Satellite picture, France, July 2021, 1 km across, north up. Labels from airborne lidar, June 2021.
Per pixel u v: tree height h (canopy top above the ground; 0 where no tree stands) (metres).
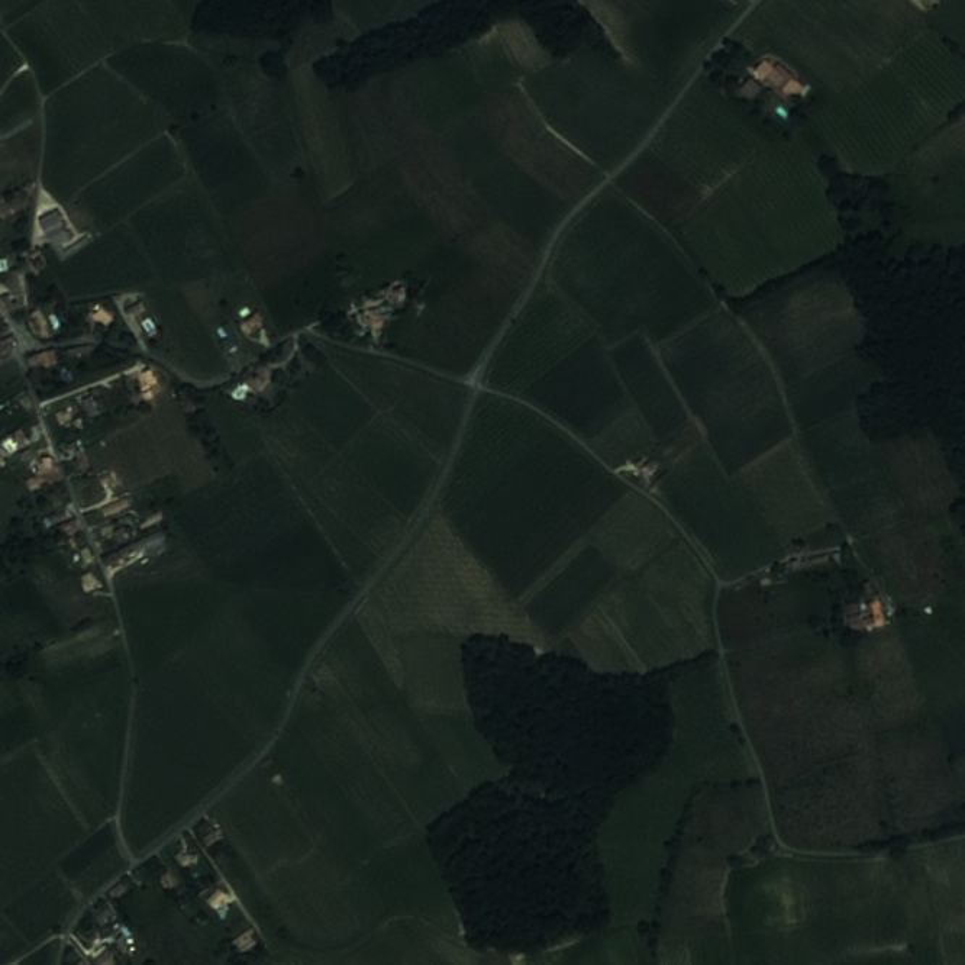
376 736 0
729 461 0
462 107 0
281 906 0
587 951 0
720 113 0
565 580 0
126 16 0
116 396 0
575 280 0
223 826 0
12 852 0
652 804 0
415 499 0
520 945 19
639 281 0
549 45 16
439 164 0
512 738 25
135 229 0
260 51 0
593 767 22
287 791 0
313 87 0
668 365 0
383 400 0
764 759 0
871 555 0
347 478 0
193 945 0
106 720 0
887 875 0
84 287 0
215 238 0
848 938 0
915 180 0
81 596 0
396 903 0
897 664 0
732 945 0
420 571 0
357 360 0
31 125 0
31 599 0
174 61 0
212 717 0
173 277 0
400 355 6
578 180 0
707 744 0
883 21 0
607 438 0
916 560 0
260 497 0
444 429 0
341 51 12
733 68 21
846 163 0
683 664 12
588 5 0
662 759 16
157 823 0
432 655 0
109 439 0
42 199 0
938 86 0
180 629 0
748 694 0
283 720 0
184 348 0
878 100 0
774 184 0
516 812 7
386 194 0
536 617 0
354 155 0
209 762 0
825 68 0
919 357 21
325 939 0
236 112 0
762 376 0
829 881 0
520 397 0
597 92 0
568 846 14
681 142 0
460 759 0
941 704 0
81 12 0
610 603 0
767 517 0
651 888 0
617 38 0
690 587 0
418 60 9
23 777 0
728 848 0
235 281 0
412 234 0
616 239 0
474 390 0
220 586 0
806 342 0
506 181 0
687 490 0
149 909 0
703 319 0
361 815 0
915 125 0
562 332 0
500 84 0
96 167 0
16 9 0
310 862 0
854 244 14
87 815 0
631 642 0
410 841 0
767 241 0
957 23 0
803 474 0
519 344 0
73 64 0
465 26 16
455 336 0
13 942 0
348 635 0
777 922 0
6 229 0
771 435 0
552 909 10
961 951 0
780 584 0
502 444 0
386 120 0
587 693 17
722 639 0
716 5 0
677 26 0
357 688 0
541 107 0
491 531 0
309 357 10
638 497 0
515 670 16
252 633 0
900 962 0
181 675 0
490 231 0
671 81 0
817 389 0
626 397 0
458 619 0
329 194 0
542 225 0
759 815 0
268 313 0
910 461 0
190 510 0
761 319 0
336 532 0
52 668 0
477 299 0
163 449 0
